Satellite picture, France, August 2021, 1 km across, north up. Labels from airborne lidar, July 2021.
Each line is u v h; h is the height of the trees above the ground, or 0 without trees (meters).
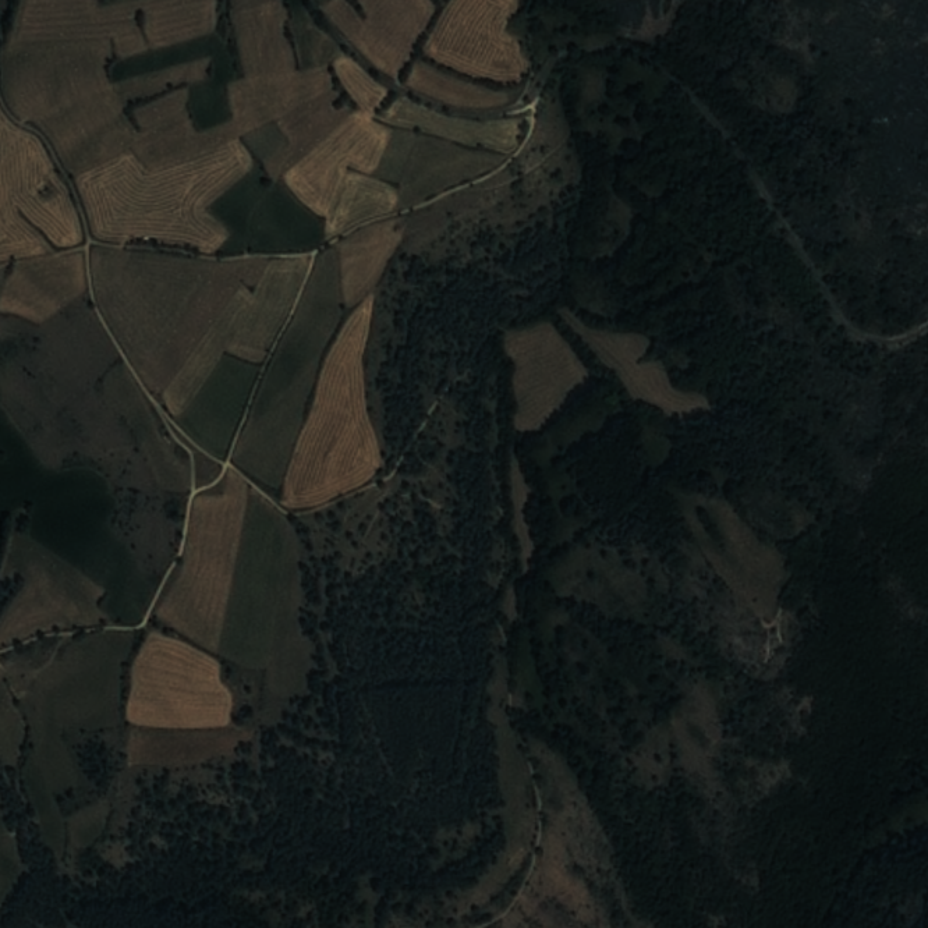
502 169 0
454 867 12
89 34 0
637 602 0
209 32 0
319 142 0
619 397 9
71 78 0
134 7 0
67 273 0
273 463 0
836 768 17
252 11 0
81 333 0
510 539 9
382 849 22
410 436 17
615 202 0
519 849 0
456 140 0
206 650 0
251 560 0
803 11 0
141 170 0
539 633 21
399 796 16
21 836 12
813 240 7
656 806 8
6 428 0
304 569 12
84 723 0
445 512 7
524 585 16
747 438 18
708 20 9
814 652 14
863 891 9
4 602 8
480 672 19
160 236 0
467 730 20
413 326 13
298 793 18
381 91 0
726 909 10
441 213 0
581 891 0
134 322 0
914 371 7
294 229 0
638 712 0
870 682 24
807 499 9
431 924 7
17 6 8
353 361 0
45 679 0
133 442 0
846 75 0
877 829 22
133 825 9
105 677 0
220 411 0
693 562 0
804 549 13
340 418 0
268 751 13
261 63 0
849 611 22
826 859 19
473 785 18
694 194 17
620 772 6
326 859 22
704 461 13
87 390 0
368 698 16
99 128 0
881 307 9
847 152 9
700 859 12
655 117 17
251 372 0
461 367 12
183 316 0
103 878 16
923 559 18
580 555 0
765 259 12
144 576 0
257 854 23
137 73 0
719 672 10
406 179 0
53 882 17
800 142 12
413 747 22
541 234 13
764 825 9
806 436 10
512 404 16
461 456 7
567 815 0
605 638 11
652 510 13
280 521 0
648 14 0
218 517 0
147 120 0
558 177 9
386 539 10
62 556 0
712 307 12
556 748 13
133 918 21
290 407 0
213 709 0
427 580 7
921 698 16
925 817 0
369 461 0
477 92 0
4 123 0
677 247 19
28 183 0
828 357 8
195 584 0
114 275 0
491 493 13
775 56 7
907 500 12
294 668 0
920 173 0
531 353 0
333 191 0
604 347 0
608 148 11
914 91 0
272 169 0
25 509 7
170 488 0
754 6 12
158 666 0
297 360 0
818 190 6
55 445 0
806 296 10
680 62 8
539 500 7
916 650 7
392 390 12
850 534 14
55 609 0
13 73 0
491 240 13
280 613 0
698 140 9
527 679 0
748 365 9
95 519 0
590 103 0
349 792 17
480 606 17
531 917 0
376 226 0
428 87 0
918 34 0
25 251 0
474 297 16
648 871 9
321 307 0
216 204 0
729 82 9
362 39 0
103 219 0
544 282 11
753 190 15
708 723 0
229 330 0
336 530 8
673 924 10
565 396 0
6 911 8
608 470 16
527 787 0
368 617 11
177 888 22
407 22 0
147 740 0
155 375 0
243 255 0
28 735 7
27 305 0
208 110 0
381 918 18
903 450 9
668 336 8
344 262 0
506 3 0
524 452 20
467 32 0
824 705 10
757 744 7
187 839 15
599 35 0
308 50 0
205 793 9
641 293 13
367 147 0
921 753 21
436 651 18
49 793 0
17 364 0
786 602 9
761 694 7
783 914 16
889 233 6
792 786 9
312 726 8
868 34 0
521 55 0
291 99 0
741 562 0
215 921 25
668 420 11
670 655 0
